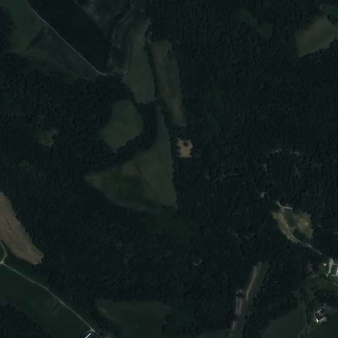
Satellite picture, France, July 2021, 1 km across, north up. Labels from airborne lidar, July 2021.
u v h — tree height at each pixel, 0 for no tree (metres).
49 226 25
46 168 16
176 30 14
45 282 0
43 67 0
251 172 24
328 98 23
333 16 18
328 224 32
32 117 20
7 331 18
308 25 20
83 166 18
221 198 20
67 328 0
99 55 0
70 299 0
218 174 18
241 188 32
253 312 21
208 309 16
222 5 17
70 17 0
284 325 0
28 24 0
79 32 0
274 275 15
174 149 12
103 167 17
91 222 24
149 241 21
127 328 0
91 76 0
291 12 7
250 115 28
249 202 28
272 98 33
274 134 25
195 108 27
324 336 0
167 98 0
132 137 0
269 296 23
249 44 30
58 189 10
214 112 13
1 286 0
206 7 29
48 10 0
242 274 13
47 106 24
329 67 30
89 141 20
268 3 25
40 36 0
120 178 0
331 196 23
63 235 21
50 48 0
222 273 17
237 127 27
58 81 20
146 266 30
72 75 0
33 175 16
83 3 14
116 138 0
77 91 12
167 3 22
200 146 16
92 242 27
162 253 25
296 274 24
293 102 24
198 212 13
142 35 0
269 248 31
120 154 10
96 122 27
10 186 20
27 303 0
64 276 11
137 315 0
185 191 16
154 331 0
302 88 18
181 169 14
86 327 0
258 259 26
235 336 0
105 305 0
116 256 22
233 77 21
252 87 28
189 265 12
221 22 20
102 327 14
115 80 19
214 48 25
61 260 23
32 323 21
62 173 20
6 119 16
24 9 0
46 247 22
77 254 26
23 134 27
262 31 0
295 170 20
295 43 25
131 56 0
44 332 27
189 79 15
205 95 28
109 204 11
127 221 19
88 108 28
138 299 20
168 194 0
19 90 25
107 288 27
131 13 0
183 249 20
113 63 0
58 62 0
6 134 27
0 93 25
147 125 18
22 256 0
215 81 26
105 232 23
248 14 0
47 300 0
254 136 30
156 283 20
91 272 22
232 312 13
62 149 20
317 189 22
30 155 21
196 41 12
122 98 17
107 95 19
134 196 0
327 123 28
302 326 0
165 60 0
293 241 22
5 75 27
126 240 25
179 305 21
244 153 24
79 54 0
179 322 0
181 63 14
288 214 0
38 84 21
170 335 0
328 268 11
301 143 25
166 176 0
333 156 35
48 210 25
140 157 0
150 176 0
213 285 17
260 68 16
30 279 0
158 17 14
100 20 0
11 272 0
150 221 15
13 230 0
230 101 15
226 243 7
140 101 0
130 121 0
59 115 28
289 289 22
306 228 0
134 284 17
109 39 12
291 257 27
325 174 28
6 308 17
